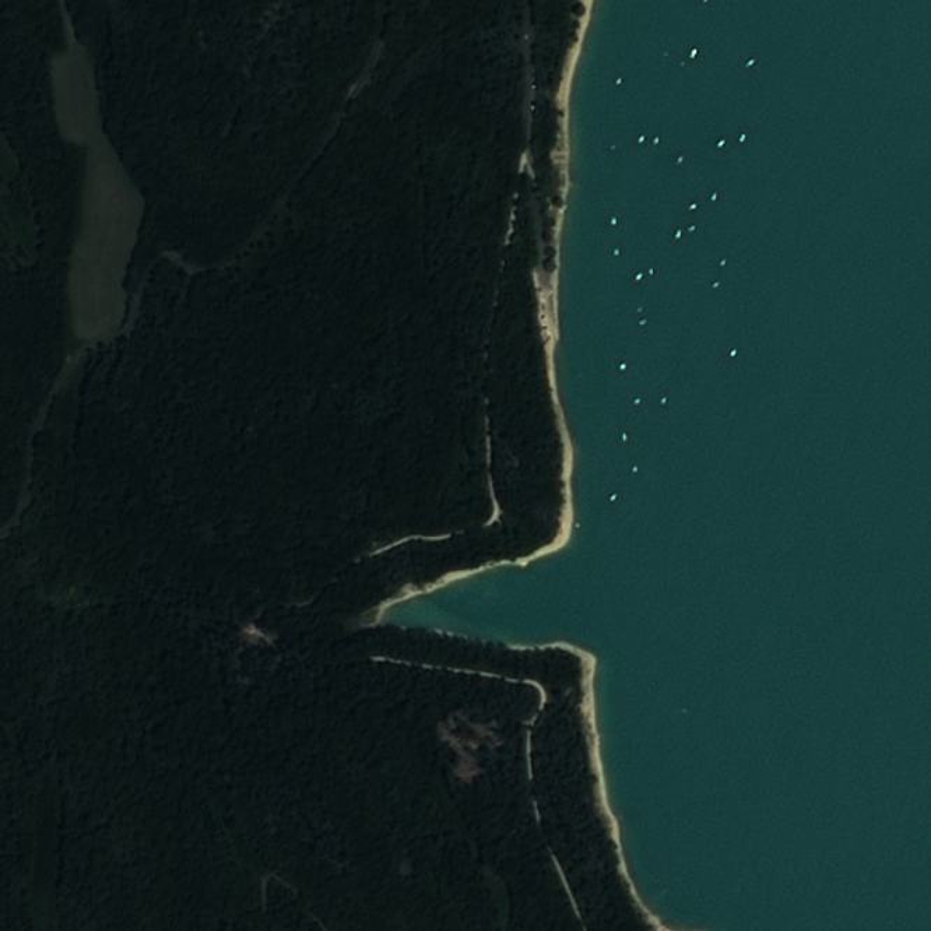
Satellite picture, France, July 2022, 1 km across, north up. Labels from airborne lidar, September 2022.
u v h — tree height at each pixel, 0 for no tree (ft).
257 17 62
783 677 0
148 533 82
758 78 0
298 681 84
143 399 68
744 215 0
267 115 55
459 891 22
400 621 0
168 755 72
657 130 0
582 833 80
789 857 0
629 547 0
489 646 33
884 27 0
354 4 39
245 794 56
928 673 0
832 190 0
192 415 56
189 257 66
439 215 72
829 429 0
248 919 58
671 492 0
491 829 66
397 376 57
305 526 54
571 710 47
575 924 60
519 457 59
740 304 0
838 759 0
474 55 61
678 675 0
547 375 50
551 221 22
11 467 52
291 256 29
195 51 58
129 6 41
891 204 0
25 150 52
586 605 0
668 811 0
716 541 0
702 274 0
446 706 32
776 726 0
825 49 0
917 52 0
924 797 0
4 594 50
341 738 46
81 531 62
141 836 63
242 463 71
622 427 0
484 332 58
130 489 64
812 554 0
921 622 0
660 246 0
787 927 0
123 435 74
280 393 67
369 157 71
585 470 0
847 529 0
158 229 58
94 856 56
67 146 43
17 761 56
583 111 0
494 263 50
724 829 0
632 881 0
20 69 33
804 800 0
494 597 0
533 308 33
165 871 57
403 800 49
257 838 51
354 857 51
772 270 0
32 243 0
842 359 0
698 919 0
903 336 0
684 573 0
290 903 47
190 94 55
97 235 0
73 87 0
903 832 0
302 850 61
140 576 55
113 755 66
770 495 0
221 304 68
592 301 0
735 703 0
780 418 0
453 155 42
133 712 96
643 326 0
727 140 0
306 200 74
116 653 74
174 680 70
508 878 64
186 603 86
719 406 0
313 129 60
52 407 27
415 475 64
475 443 50
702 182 0
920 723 0
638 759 0
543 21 43
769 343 0
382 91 42
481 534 67
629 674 0
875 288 0
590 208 0
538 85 40
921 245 0
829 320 0
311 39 54
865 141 0
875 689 0
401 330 67
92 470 90
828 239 0
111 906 38
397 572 45
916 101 0
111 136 53
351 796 65
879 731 0
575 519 0
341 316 60
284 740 67
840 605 0
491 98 87
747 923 0
